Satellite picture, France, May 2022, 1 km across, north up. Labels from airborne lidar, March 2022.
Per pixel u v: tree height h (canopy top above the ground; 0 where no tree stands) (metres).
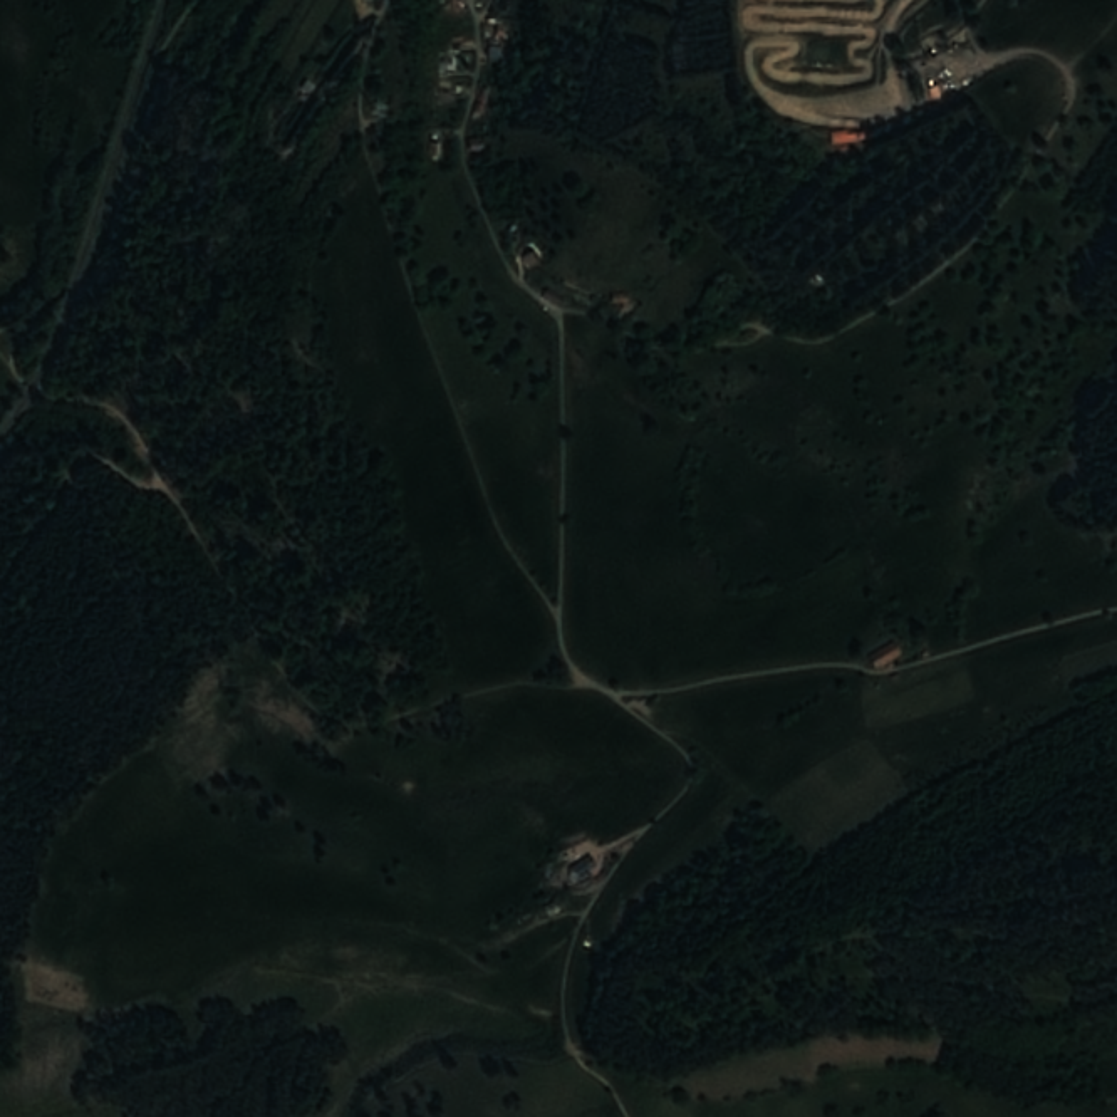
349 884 0
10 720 24
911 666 0
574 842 0
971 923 21
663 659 0
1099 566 0
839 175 15
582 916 0
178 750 0
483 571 0
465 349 0
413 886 0
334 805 0
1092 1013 21
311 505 11
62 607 20
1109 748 7
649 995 0
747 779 0
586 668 0
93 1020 0
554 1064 0
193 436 28
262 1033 22
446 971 0
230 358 9
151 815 0
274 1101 22
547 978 0
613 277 0
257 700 0
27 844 24
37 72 0
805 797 0
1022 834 9
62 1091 0
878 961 24
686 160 10
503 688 0
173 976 0
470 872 0
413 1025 0
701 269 0
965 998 25
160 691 21
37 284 23
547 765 0
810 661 0
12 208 0
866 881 9
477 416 0
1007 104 0
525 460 0
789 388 0
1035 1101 15
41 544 13
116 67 0
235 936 0
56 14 8
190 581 14
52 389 17
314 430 16
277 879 0
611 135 19
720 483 0
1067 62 0
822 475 0
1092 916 24
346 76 8
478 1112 0
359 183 0
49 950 0
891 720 0
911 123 12
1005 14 0
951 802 10
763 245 17
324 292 0
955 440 0
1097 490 20
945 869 5
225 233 22
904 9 0
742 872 17
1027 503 0
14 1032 25
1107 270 48
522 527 0
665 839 0
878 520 0
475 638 0
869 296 19
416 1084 0
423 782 0
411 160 17
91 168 12
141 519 10
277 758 0
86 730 26
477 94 0
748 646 0
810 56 0
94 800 0
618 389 0
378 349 0
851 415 0
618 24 11
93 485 14
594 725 0
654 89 17
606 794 0
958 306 0
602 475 0
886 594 0
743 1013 18
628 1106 0
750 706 0
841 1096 0
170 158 26
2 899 23
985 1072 17
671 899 19
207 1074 21
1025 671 0
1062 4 0
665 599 0
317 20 0
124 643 21
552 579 0
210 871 0
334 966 0
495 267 0
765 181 13
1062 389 0
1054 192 19
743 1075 0
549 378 8
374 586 13
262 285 7
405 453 0
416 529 0
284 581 30
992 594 0
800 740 0
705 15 19
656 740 0
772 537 0
